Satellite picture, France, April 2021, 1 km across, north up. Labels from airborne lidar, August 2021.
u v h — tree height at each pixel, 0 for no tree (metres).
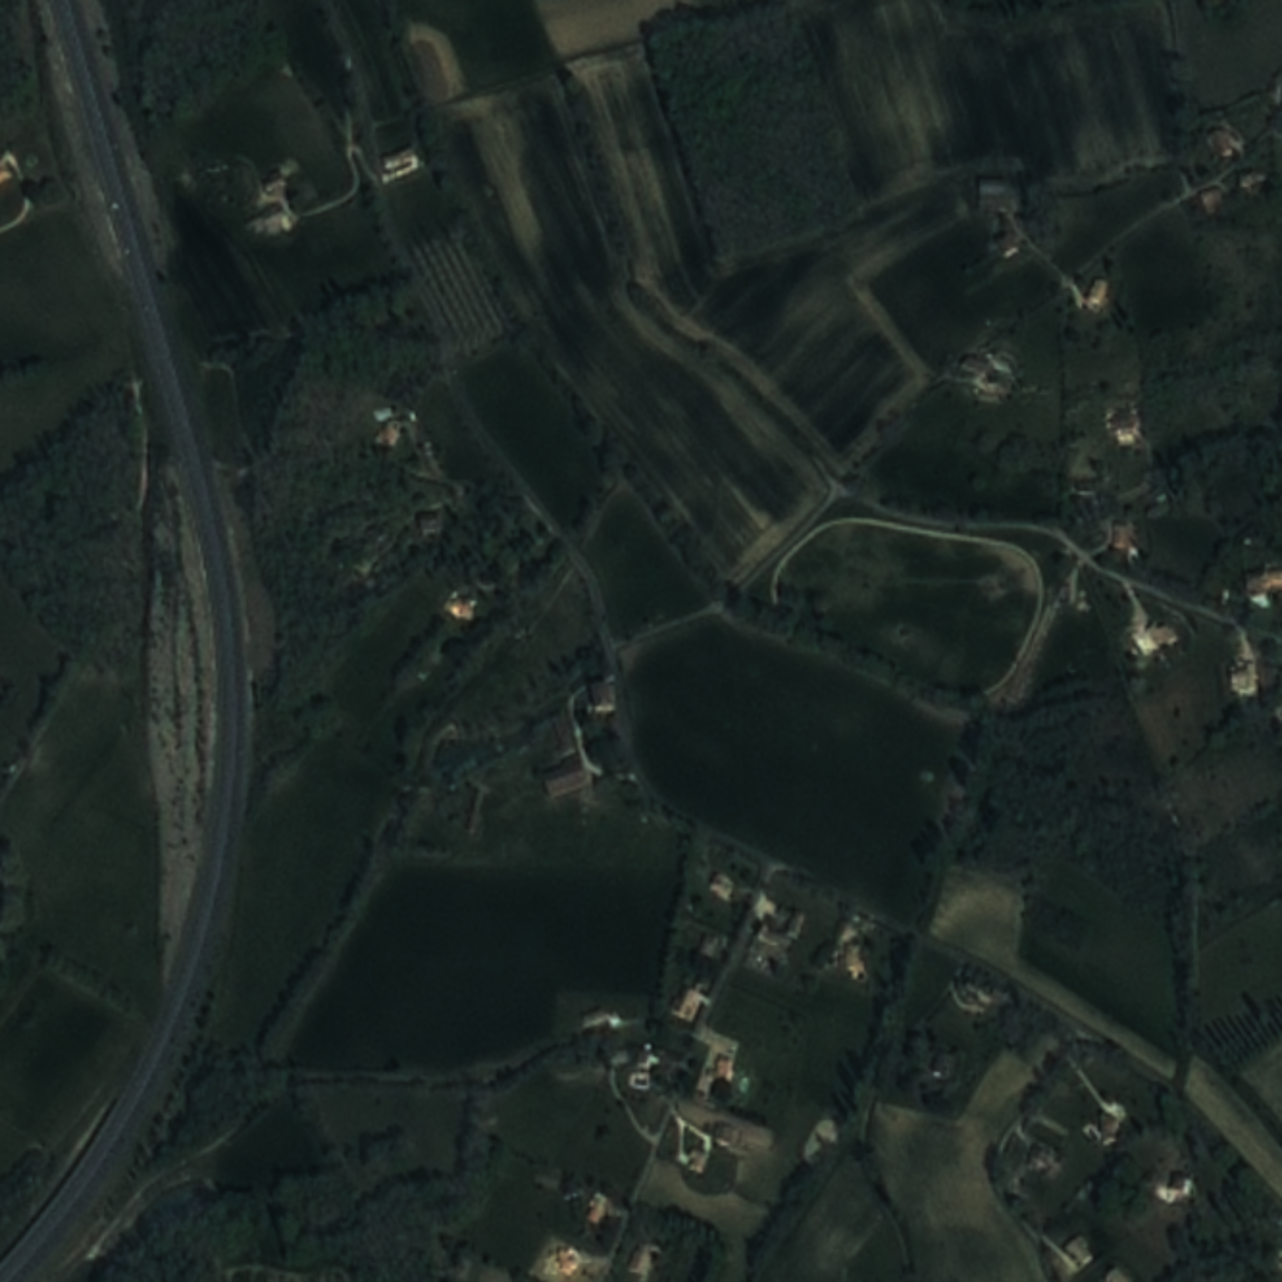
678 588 0
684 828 10
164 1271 19
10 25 23
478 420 0
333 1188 12
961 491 0
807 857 0
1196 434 0
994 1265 0
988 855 11
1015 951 0
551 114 0
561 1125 0
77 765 0
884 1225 0
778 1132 0
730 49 21
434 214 0
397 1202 18
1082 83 0
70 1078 0
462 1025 0
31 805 0
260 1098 14
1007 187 0
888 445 11
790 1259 0
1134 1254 0
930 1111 12
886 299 0
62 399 0
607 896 0
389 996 0
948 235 0
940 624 0
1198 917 15
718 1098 11
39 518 20
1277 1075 0
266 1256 0
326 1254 16
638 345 0
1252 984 0
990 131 0
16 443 0
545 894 0
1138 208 0
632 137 0
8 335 0
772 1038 0
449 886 0
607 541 0
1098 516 18
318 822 0
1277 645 12
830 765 0
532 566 8
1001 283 0
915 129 0
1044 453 19
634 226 0
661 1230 10
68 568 22
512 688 0
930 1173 0
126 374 6
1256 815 8
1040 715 18
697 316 0
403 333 18
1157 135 0
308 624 11
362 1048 0
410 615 0
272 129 0
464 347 22
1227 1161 19
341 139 10
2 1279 0
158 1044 0
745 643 0
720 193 19
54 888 0
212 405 0
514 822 0
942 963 0
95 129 0
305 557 11
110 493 21
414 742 20
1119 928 0
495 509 15
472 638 9
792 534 0
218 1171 0
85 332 0
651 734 0
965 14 9
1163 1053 0
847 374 0
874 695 0
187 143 0
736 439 0
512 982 0
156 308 0
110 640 16
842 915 6
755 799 0
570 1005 0
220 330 0
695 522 0
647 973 0
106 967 0
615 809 0
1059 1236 15
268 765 6
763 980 0
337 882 0
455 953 0
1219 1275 18
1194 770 0
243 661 0
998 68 0
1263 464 33
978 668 0
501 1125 0
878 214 0
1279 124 13
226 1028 0
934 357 0
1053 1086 18
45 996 0
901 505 10
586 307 0
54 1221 0
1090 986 0
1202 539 0
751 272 0
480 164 0
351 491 9
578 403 14
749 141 24
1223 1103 0
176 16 22
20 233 0
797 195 18
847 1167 0
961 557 0
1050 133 0
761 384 0
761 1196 0
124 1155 0
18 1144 0
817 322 0
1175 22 0
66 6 0
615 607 0
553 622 0
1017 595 0
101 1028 0
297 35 0
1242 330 9
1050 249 18
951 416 0
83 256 0
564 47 0
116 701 0
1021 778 14
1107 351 11
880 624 0
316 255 0
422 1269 19
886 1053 17
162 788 0
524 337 22
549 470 0
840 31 0
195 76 23
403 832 17
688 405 0
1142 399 8
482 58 0
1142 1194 15
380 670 0
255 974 0
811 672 0
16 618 0
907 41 0
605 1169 0
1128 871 16
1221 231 12
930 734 0
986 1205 0
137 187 0
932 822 0
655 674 0
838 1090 0
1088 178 0
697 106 20
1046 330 0
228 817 0
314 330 25
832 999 0
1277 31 0
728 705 0
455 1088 9
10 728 0
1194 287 0
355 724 0
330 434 18
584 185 0
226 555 0
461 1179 13
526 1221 0
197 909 0
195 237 0
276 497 17
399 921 0
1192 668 0
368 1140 0
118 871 0
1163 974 0
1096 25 0
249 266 0
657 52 19
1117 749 6
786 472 0
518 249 0
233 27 26
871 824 0
